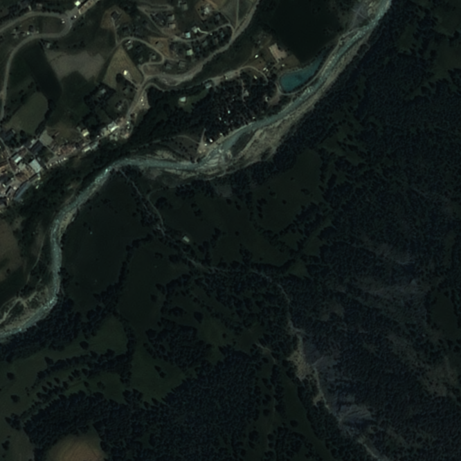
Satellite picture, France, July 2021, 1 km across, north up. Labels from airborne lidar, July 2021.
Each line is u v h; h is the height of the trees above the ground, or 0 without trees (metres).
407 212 9
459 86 26
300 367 0
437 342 0
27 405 0
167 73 0
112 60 0
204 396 14
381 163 10
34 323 0
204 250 24
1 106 0
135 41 0
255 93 10
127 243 0
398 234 15
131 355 19
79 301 0
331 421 13
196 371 12
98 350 0
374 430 9
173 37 0
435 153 16
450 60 0
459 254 13
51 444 15
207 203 0
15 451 0
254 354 6
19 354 7
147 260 0
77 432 18
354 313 21
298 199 0
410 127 15
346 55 0
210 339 0
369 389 18
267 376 0
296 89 7
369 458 8
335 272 9
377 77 20
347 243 6
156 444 23
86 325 10
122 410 22
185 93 10
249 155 0
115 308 9
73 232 0
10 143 8
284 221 0
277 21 0
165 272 0
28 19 0
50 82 0
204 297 0
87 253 0
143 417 17
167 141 10
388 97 20
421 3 0
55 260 0
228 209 0
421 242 15
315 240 0
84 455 0
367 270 11
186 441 19
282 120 0
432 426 19
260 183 12
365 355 26
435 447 9
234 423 25
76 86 0
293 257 12
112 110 0
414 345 7
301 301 18
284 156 21
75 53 0
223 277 8
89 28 0
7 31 0
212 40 13
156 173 0
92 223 0
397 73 29
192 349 16
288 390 0
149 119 21
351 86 12
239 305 23
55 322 10
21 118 0
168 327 15
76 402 26
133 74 0
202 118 10
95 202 0
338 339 10
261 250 0
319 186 0
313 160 0
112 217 0
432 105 19
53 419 17
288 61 0
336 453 20
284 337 12
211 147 0
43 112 0
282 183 0
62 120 0
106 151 18
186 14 0
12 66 0
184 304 0
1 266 0
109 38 0
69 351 0
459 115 22
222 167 0
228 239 0
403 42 0
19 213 7
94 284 0
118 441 20
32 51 0
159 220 12
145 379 0
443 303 0
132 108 0
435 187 6
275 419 0
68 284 15
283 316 13
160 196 0
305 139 18
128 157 9
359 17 0
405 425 18
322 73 0
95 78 0
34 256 0
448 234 0
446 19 0
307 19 0
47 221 0
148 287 0
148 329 0
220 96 9
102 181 0
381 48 26
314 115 11
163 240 8
